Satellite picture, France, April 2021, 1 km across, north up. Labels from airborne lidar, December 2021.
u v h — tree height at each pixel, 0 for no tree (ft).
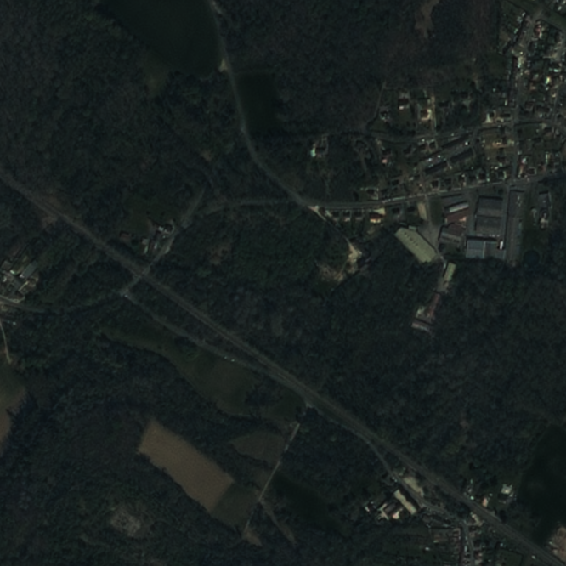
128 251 72
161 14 0
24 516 90
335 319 80
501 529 0
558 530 0
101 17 79
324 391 47
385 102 26
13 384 0
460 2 65
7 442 0
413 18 48
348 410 94
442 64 67
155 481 77
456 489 52
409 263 75
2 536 21
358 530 48
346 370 21
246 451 0
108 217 57
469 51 78
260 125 0
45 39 124
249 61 26
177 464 0
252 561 31
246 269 42
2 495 72
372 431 58
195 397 46
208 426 28
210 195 0
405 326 62
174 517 26
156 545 18
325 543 81
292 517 43
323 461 100
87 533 50
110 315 61
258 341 31
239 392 0
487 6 74
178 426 75
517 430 63
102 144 85
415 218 0
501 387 76
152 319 57
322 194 54
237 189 0
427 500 18
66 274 123
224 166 0
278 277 21
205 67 0
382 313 64
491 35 73
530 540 0
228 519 0
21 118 96
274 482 0
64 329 31
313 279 66
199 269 64
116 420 88
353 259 0
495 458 82
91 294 66
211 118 59
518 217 0
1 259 21
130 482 44
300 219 52
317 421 76
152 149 82
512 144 0
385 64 70
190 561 36
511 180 0
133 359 74
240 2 81
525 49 0
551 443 0
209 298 83
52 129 105
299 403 0
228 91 69
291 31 61
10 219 67
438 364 77
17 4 109
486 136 0
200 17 0
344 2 73
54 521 47
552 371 123
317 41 75
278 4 88
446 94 0
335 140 55
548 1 77
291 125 81
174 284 26
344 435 80
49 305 18
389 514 0
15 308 0
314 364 114
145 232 0
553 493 0
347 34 56
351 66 68
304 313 58
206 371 0
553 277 110
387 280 57
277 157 65
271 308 100
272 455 0
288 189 0
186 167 54
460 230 0
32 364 71
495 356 81
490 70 45
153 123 87
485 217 0
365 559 46
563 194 80
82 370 55
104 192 22
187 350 75
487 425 29
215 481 0
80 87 73
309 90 72
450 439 88
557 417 111
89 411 95
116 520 0
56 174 127
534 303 115
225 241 27
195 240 34
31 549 55
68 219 0
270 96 0
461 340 62
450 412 24
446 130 35
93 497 18
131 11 0
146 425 84
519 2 0
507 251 0
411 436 63
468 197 0
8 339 33
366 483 0
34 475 56
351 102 80
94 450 76
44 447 73
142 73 58
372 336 22
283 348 32
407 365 73
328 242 66
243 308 126
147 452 0
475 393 33
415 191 0
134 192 31
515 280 71
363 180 70
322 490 70
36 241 26
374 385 77
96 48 61
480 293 107
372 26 52
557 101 0
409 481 0
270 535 22
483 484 21
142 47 71
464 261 21
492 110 24
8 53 128
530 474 0
